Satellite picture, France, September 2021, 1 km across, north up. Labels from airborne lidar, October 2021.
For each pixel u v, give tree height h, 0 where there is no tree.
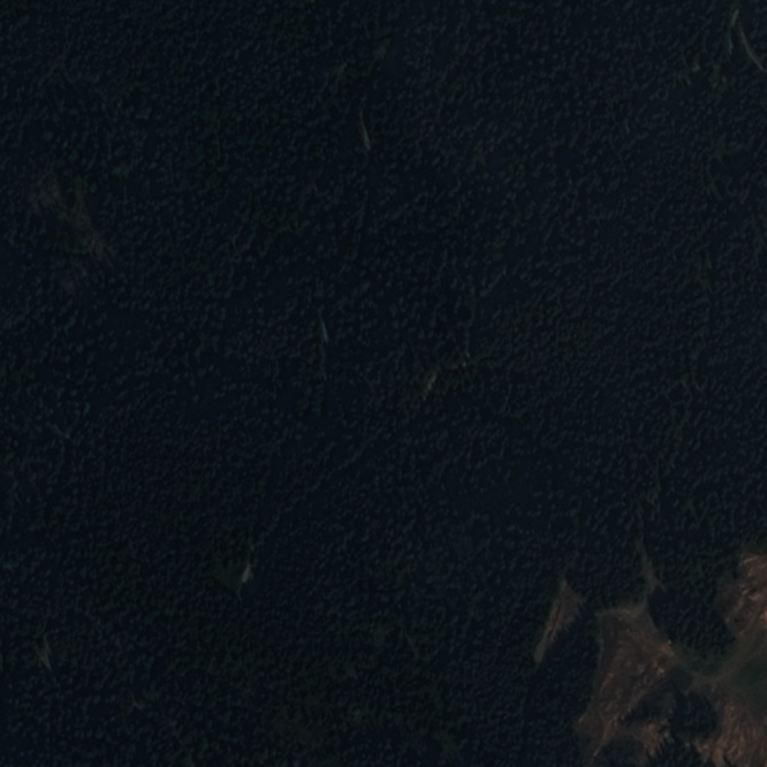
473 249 19
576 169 29
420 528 7
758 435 17
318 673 20
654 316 23
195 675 17
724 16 25
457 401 10
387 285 28
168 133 29
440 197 22
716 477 17
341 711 9
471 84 17
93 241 0
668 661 0
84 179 15
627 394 21
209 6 26
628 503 20
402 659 13
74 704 27
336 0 23
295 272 15
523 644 17
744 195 23
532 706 11
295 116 21
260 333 28
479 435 30
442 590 11
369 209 19
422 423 13
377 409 27
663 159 27
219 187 21
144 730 27
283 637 19
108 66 32
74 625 26
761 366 20
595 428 25
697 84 0
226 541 13
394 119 20
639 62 29
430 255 16
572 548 15
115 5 20
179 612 20
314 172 21
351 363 13
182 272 23
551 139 30
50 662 0
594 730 0
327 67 8
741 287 16
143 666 12
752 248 22
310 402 13
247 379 28
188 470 23
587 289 29
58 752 24
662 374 22
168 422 25
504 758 19
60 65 21
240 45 28
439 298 13
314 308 11
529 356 26
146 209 18
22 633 27
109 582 19
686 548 19
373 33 28
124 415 27
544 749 24
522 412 29
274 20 23
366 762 28
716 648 18
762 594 0
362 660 10
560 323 20
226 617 21
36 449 23
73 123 15
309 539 21
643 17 18
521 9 27
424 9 9
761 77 23
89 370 14
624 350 21
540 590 20
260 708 12
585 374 23
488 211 9
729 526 22
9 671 13
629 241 27
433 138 15
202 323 28
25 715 16
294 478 22
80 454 11
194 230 31
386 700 19
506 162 30
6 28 30
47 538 16
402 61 31
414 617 10
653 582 0
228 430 24
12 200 29
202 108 33
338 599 12
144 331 17
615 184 26
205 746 9
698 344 20
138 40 28
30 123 9
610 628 0
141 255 23
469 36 12
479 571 11
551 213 28
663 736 0
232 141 21
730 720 0
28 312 30
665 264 20
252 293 14
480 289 26
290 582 19
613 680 0
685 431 0
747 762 0
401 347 29
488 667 25
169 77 27
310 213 11
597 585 13
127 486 25
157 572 23
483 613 9
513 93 31
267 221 23
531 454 30
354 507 14
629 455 26
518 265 28
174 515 24
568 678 15
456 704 22
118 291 29
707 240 7
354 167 24
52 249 29
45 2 22
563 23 35
